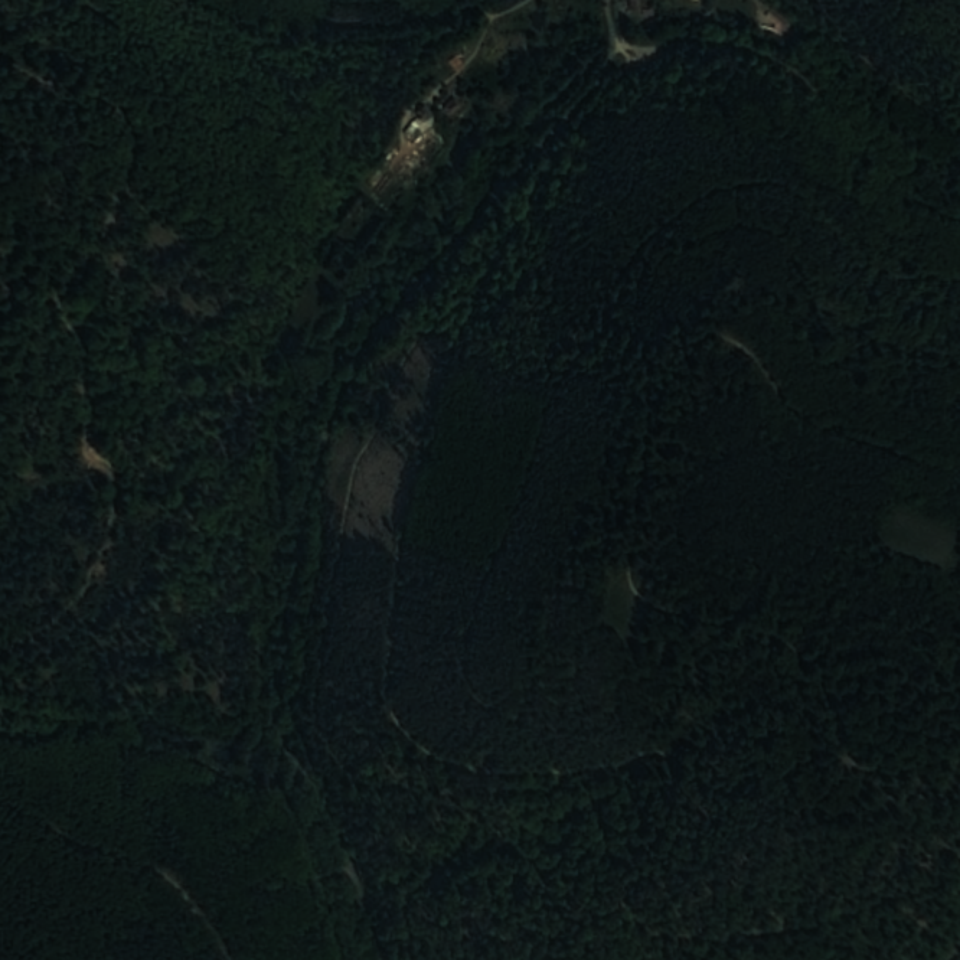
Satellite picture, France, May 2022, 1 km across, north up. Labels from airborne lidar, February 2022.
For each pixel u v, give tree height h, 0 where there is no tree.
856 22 30
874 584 15
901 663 17
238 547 34
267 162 26
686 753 39
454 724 21
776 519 16
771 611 20
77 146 24
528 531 19
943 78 28
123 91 28
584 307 17
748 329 12
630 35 23
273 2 16
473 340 28
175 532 34
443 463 22
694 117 13
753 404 17
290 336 10
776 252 20
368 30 22
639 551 11
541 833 36
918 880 33
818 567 16
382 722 15
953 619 15
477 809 30
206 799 18
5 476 37
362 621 20
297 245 28
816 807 9
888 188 17
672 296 18
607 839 40
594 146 17
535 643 19
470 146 26
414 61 8
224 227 26
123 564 8
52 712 17
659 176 15
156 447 33
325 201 33
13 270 18
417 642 19
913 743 32
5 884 28
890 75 23
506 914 34
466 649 18
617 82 19
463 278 26
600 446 19
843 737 35
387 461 0
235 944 19
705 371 17
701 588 16
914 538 0
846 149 16
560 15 0
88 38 29
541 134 14
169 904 21
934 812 33
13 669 17
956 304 9
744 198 11
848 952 36
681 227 15
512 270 18
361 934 25
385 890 35
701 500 17
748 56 27
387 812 23
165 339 13
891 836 34
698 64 33
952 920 29
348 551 23
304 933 22
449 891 37
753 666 32
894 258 15
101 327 35
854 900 31
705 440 17
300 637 17
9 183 34
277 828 23
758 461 19
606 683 21
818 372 19
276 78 32
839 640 22
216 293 11
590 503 15
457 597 17
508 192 35
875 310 9
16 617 16
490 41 0
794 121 14
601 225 13
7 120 32
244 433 39
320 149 24
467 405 18
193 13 23
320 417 21
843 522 16
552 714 14
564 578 27
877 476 17
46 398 34
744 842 23
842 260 11
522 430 20
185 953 21
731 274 15
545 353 29
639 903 29
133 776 20
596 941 30
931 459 18
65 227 30
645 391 12
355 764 32
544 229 13
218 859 18
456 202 26
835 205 13
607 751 27
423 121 0
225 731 23
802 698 34
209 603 37
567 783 18
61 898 27
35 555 34
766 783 31
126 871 22
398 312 35
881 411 17
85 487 18
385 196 0
